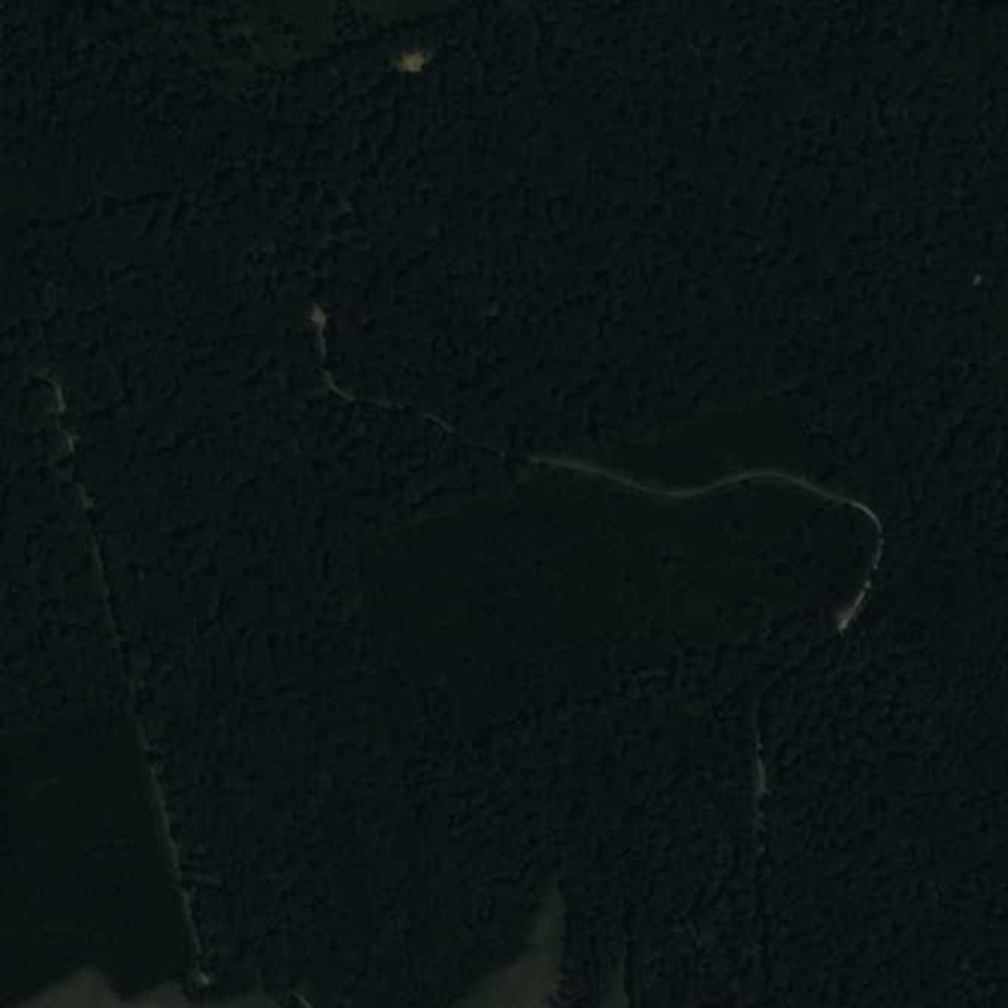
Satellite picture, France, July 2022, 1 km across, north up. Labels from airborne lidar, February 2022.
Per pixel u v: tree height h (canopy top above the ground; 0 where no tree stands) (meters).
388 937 29
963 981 30
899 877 30
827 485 18
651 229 31
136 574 27
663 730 23
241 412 25
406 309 25
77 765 6
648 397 29
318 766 28
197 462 31
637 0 24
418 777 12
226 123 23
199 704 20
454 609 6
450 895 27
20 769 7
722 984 24
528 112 26
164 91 21
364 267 28
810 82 30
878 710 32
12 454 30
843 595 9
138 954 7
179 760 23
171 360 29
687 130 27
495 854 25
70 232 23
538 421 30
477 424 21
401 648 7
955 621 7
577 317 32
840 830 22
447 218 29
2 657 10
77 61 26
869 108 25
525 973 0
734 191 25
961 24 27
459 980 6
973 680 6
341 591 30
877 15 28
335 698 30
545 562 6
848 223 28
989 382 24
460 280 30
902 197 26
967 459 25
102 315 29
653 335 26
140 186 15
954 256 20
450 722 12
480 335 28
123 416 32
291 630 27
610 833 28
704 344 27
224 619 25
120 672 19
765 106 26
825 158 29
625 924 8
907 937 26
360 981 30
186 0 19
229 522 31
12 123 14
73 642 26
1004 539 28
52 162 15
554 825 29
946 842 29
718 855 28
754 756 13
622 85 27
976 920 29
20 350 27
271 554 30
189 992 14
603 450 27
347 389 26
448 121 25
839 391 29
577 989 9
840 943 29
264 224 27
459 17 25
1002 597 9
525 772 16
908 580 13
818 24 27
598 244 26
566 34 29
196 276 32
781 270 27
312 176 21
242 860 26
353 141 28
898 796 29
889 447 21
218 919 30
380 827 24
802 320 27
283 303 27
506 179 29
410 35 25
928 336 29
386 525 28
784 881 28
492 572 6
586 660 6
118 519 30
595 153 26
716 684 24
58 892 6
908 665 9
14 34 26
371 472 23
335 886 26
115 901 7
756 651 22
